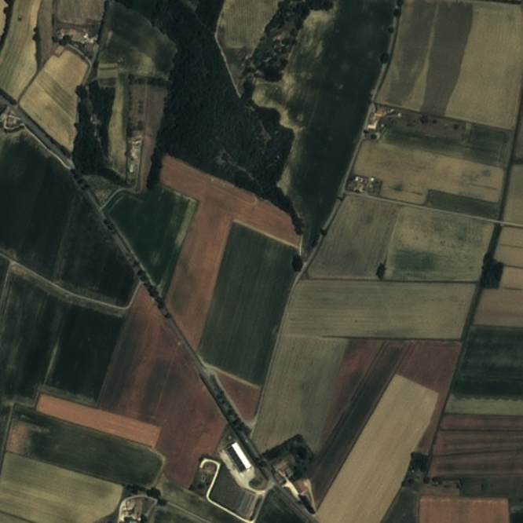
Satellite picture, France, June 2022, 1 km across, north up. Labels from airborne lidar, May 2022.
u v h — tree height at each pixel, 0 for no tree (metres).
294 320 0
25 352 0
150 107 0
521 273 0
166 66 0
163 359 0
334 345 0
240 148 7
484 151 0
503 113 0
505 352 0
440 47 0
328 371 0
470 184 0
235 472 0
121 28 0
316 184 0
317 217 0
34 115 0
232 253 0
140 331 0
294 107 0
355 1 0
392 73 0
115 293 0
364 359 0
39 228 0
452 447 0
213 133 8
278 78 18
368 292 0
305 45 0
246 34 0
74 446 0
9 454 0
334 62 0
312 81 0
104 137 13
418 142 0
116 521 0
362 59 0
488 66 0
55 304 0
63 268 0
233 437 0
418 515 0
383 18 0
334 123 0
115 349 0
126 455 0
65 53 0
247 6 0
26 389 0
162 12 17
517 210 0
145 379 0
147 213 0
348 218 0
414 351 0
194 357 0
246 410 0
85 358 0
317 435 0
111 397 0
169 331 0
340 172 0
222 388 0
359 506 0
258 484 0
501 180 0
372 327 0
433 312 0
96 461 0
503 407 0
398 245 0
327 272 0
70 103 0
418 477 0
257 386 0
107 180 6
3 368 0
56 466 0
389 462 0
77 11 0
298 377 0
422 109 0
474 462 0
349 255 0
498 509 0
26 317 0
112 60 0
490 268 17
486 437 0
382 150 0
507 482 0
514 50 0
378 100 0
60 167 0
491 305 0
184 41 15
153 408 0
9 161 0
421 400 0
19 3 0
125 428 0
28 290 0
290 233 0
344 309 0
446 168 0
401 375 0
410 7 0
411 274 0
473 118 0
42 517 0
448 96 0
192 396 0
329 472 0
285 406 0
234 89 8
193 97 16
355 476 0
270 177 20
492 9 0
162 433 0
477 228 0
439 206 0
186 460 0
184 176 0
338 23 0
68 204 0
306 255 0
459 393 0
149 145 0
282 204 16
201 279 0
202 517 0
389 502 0
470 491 0
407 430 0
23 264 0
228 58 0
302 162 0
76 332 0
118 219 0
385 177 0
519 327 0
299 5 11
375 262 0
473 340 0
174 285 0
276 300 0
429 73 0
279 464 0
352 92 0
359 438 0
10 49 0
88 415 0
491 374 0
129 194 0
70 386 0
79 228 0
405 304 0
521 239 0
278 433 0
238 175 11
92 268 0
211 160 9
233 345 0
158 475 0
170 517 0
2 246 0
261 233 0
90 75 0
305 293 0
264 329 0
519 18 0
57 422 0
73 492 0
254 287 0
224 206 0
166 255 0
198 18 11
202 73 16
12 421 0
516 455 0
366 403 0
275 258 0
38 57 11
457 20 0
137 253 0
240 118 10
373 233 0
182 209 0
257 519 0
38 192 0
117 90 0
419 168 0
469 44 0
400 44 0
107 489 0
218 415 0
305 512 0
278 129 10
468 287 0
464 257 0
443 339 0
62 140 0
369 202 0
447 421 0
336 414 0
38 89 0
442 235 0
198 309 0
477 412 0
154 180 20
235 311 0
